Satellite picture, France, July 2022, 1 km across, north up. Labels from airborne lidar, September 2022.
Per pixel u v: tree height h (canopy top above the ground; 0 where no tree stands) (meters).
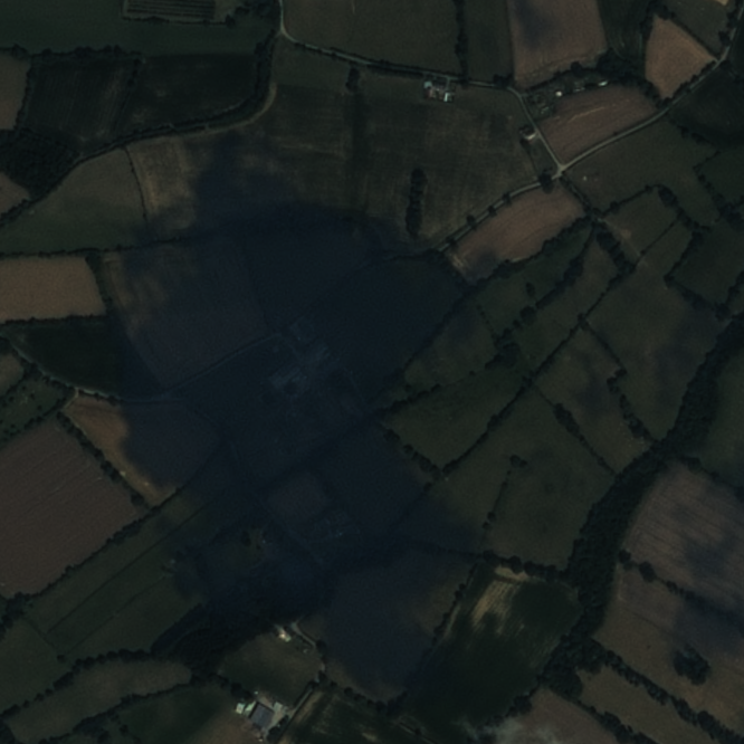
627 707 0
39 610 0
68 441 0
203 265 0
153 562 0
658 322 0
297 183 0
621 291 0
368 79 0
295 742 0
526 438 0
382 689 0
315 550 0
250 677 0
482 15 0
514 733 0
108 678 0
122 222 0
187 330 0
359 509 0
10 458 0
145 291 0
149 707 0
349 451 0
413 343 0
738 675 0
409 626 0
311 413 0
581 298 0
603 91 0
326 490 15
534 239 0
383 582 0
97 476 0
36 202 8
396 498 0
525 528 0
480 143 0
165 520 0
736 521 0
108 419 0
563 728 0
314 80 0
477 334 0
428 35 0
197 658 28
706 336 0
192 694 0
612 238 17
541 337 0
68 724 0
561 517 0
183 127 9
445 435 0
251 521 10
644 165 0
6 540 0
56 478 0
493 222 0
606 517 14
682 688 0
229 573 0
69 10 0
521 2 0
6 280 0
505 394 0
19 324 10
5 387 0
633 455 0
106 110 0
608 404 0
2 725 15
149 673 0
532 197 0
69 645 0
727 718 0
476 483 0
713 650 0
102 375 0
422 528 0
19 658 0
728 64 10
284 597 23
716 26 0
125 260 0
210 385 0
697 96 0
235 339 0
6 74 0
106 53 14
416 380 0
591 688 0
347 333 0
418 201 18
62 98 0
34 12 0
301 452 0
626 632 0
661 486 0
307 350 0
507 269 11
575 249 0
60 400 9
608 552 10
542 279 0
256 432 0
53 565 0
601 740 0
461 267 0
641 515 0
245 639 18
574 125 0
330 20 0
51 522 0
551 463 0
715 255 0
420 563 0
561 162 0
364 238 0
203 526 0
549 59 0
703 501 0
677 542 0
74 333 0
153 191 0
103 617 0
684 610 0
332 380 0
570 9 0
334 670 0
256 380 0
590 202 6
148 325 0
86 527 0
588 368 0
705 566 0
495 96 0
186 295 0
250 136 0
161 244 6
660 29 0
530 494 0
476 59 0
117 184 0
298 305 0
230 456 12
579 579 13
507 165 0
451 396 0
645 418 0
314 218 16
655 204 0
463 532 0
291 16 0
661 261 0
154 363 0
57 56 7
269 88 12
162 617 0
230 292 0
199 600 0
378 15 0
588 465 0
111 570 0
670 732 0
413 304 0
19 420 0
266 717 0
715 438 0
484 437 7
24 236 0
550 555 0
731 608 0
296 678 0
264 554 0
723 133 0
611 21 0
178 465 0
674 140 0
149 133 7
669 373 0
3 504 0
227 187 0
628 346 0
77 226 0
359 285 0
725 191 0
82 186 0
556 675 17
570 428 20
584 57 0
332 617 0
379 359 0
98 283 7
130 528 11
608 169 0
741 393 0
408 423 0
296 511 0
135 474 0
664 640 0
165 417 0
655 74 0
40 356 0
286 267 0
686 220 12
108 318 8
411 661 0
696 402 14
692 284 0
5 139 12
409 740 0
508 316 0
